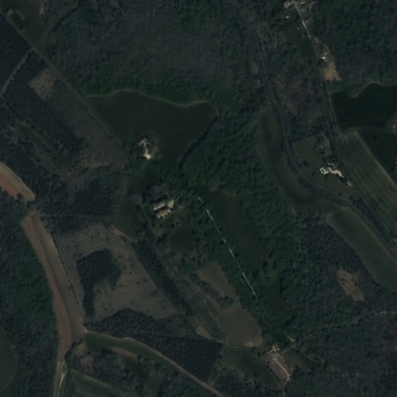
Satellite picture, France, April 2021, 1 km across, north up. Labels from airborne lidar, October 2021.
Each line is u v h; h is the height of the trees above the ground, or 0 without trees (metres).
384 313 14
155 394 0
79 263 12
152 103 0
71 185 15
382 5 13
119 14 6
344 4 15
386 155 0
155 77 20
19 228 16
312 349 18
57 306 0
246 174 21
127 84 15
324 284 20
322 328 13
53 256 0
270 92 15
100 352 0
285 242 23
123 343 0
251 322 0
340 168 11
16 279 22
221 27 17
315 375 15
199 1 19
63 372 0
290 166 8
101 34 17
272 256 21
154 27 18
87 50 18
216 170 21
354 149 0
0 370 0
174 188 18
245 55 15
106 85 17
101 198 18
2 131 13
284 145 9
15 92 12
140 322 9
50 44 0
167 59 24
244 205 19
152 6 16
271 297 0
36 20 0
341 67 16
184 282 0
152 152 0
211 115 0
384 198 0
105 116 0
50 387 14
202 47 14
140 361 16
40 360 23
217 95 15
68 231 14
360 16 20
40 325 17
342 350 17
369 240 0
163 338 11
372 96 0
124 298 0
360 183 0
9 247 11
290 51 18
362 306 9
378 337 17
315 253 13
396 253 0
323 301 17
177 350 23
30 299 25
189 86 16
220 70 12
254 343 0
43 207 15
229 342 0
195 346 13
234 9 12
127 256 0
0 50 15
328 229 8
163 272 14
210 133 20
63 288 0
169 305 0
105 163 12
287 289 18
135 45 23
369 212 11
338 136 14
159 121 0
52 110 7
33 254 21
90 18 8
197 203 13
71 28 16
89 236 0
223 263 19
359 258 9
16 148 17
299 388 16
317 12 17
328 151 7
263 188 24
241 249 0
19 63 13
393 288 0
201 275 0
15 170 17
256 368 0
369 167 0
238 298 13
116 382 21
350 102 0
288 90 6
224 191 23
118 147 16
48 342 23
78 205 23
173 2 18
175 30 20
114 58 23
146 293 0
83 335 0
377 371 17
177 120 0
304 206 0
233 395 11
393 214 0
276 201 22
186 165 22
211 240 18
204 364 15
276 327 14
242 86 19
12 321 18
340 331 19
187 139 0
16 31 12
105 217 12
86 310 0
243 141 17
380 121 0
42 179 16
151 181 0
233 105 11
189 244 0
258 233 15
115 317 10
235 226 0
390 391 24
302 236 17
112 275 13
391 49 21
